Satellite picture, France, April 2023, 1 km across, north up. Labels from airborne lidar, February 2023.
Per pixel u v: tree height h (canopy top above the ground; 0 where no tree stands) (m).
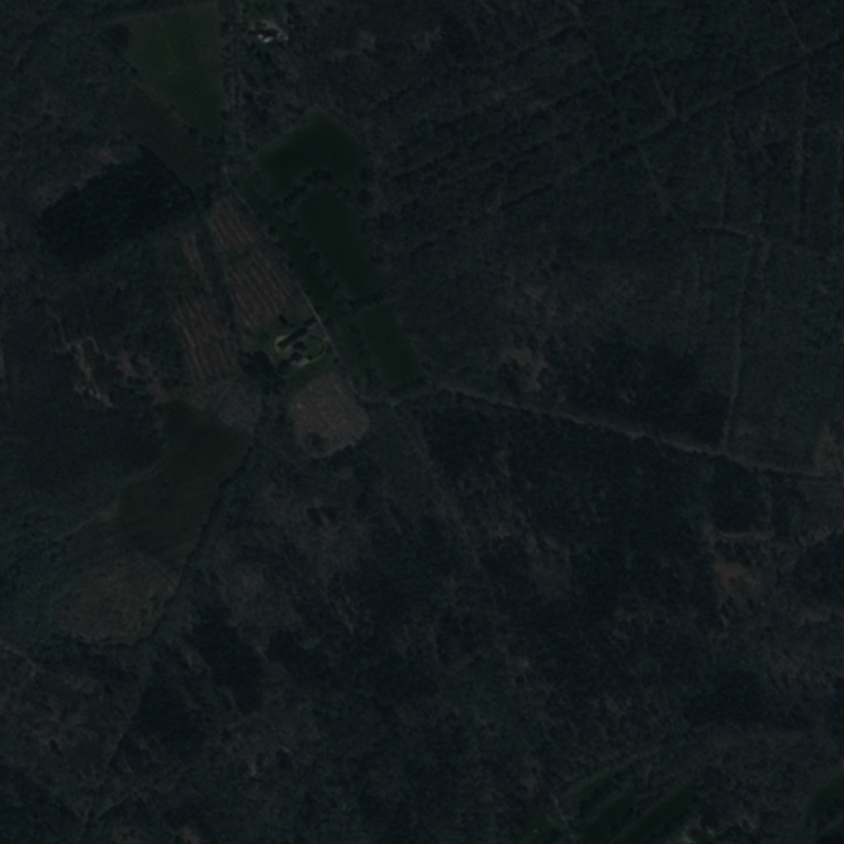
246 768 14
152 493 0
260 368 22
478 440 19
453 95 19
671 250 14
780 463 15
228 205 11
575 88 16
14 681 11
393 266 20
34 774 13
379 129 15
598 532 18
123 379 7
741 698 15
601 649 14
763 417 14
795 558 0
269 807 8
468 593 23
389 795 14
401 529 18
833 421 14
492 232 13
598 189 16
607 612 16
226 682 18
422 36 11
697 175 15
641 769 14
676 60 8
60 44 11
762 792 13
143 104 0
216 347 12
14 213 13
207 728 21
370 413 15
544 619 15
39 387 13
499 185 14
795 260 16
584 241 17
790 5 16
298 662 16
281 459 15
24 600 12
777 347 16
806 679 10
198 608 11
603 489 10
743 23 12
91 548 0
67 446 12
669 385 17
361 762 20
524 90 15
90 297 13
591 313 8
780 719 18
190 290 8
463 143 21
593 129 14
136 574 0
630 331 12
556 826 10
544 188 14
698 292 13
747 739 13
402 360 0
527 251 17
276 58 9
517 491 19
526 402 12
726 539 0
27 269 6
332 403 17
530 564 11
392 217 16
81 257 24
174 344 12
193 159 0
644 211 13
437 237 17
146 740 13
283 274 12
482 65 13
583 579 17
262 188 11
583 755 8
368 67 14
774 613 10
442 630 14
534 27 12
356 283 0
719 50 18
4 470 16
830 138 15
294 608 20
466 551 15
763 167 22
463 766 20
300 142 0
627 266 13
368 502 17
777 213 18
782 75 15
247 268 10
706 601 17
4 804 17
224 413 15
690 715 15
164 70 0
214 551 11
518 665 12
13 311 12
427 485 12
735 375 8
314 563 13
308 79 12
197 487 0
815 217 16
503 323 13
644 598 13
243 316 14
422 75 15
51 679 0
